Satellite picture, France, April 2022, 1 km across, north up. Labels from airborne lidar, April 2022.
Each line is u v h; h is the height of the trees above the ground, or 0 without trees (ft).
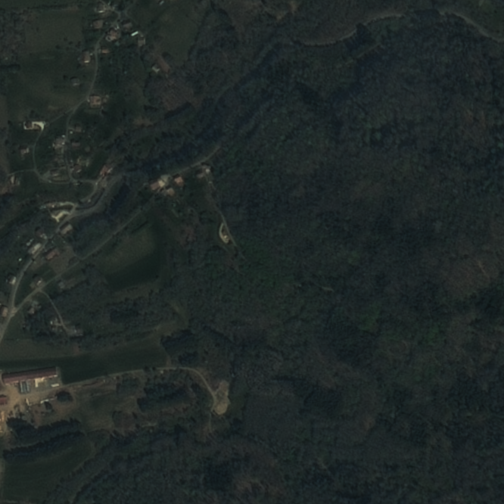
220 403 0
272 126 107
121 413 25
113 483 63
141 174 80
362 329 65
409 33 81
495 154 86
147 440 96
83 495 42
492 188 67
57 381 0
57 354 0
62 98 0
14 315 0
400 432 78
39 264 0
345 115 119
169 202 23
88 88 0
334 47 24
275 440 69
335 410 107
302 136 91
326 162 75
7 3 0
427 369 74
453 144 76
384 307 80
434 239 72
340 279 51
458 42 95
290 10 62
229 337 32
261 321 94
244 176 55
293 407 60
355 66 21
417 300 91
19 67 52
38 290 0
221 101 0
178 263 38
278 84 44
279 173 64
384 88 98
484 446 82
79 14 0
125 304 26
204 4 76
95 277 60
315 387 62
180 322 0
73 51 18
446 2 21
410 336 53
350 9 44
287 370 20
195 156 63
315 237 80
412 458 73
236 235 72
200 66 88
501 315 88
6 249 66
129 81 36
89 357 0
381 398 80
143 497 71
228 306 76
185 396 92
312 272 81
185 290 73
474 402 114
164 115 28
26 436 97
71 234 0
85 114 0
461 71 108
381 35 49
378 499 100
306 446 53
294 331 84
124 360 0
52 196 27
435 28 63
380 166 63
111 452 68
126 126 34
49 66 0
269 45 80
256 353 93
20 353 0
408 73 107
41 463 0
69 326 0
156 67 0
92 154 30
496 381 98
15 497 0
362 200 76
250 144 86
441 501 91
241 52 86
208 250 38
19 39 0
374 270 89
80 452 0
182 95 98
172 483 77
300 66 27
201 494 84
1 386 0
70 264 20
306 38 27
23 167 0
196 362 92
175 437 44
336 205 99
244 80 0
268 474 86
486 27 28
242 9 21
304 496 56
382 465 66
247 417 54
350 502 96
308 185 64
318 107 49
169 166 61
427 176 60
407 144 35
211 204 0
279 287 63
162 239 0
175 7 0
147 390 30
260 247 73
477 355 101
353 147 93
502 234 47
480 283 115
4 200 56
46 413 18
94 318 58
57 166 22
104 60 24
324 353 100
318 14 84
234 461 20
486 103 78
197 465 51
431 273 71
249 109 53
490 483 89
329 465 31
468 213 46
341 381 99
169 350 81
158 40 49
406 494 61
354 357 79
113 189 0
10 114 0
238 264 52
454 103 105
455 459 81
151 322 28
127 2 22
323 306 84
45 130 24
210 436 0
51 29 0
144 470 57
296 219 83
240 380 80
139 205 28
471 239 66
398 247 80
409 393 102
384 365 96
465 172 102
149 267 0
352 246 97
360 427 82
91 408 0
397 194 67
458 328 86
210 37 30
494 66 116
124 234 23
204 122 89
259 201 71
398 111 119
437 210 58
